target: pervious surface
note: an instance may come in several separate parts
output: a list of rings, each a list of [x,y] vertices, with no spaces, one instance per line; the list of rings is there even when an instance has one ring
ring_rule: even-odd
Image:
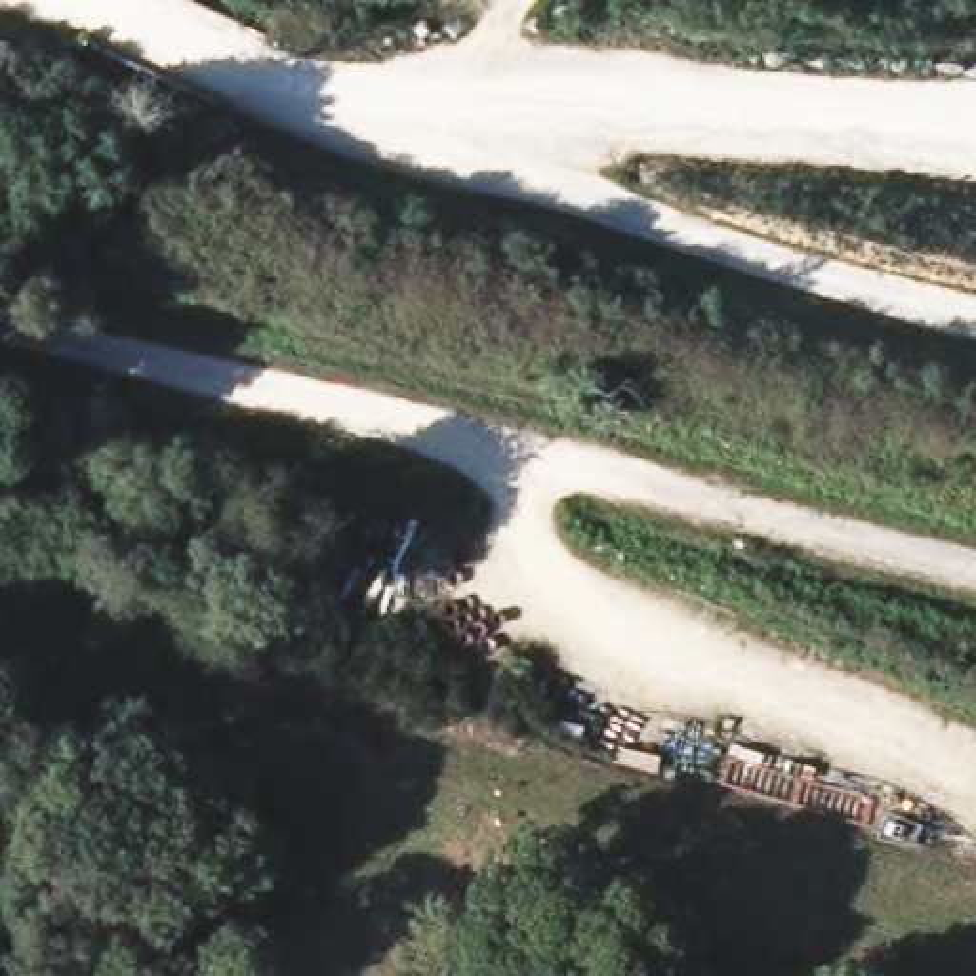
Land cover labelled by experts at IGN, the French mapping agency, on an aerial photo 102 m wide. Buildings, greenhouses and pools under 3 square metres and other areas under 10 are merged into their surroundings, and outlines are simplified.
[[[404,438],[416,454],[461,469],[492,496],[492,511],[503,522],[492,530],[488,553],[473,564],[469,580],[454,583],[438,572],[423,572],[408,580],[370,583],[370,599],[385,614],[397,614],[404,606],[431,606],[442,621],[450,621],[458,641],[488,652],[488,705],[477,717],[492,721],[496,728],[519,740],[545,743],[560,755],[591,755],[606,743],[606,751],[614,751],[621,766],[644,770],[652,778],[652,789],[667,789],[679,774],[694,774],[747,804],[785,812],[839,808],[850,816],[858,831],[881,835],[900,850],[911,850],[919,843],[926,846],[930,839],[946,835],[957,846],[957,854],[976,854],[976,728],[946,724],[930,709],[907,702],[904,694],[873,686],[846,671],[808,663],[793,652],[778,652],[751,633],[736,633],[732,606],[698,602],[686,591],[667,591],[660,599],[633,587],[629,580],[610,580],[591,564],[576,560],[553,526],[553,511],[564,496],[644,503],[656,511],[686,515],[694,522],[721,522],[755,534],[801,545],[824,560],[846,560],[862,568],[919,576],[938,587],[976,591],[976,549],[885,530],[858,519],[820,515],[793,503],[774,503],[763,496],[743,496],[721,484],[717,477],[698,480],[679,469],[663,469],[606,446],[549,438],[534,427],[511,427],[496,416],[412,404],[355,385],[332,385],[267,370],[259,351],[244,351],[240,362],[225,362],[95,328],[84,336],[92,347],[84,362],[92,366],[217,397],[240,408],[267,408],[316,423],[336,423],[362,438]]]
[[[0,385],[11,389],[19,400],[38,385],[38,374],[23,358],[23,347],[31,339],[15,328],[15,320],[0,320]]]
[[[694,206],[690,214],[679,214],[667,202],[641,198],[621,183],[602,179],[602,168],[625,164],[625,156],[633,153],[679,153],[705,160],[843,164],[865,172],[976,179],[976,34],[961,42],[915,42],[915,57],[907,65],[881,61],[873,76],[865,76],[862,61],[846,61],[839,76],[831,76],[827,61],[820,57],[804,61],[793,72],[782,53],[755,57],[747,69],[732,69],[644,50],[526,42],[522,19],[538,0],[438,0],[446,31],[427,31],[423,23],[385,27],[385,34],[374,38],[355,61],[332,61],[294,57],[278,46],[267,46],[255,31],[194,0],[0,0],[0,8],[27,8],[34,19],[107,31],[114,42],[133,42],[156,65],[187,65],[198,80],[286,130],[343,149],[351,137],[358,137],[374,145],[385,160],[465,175],[477,191],[515,194],[522,187],[564,206],[591,210],[602,225],[621,233],[652,236],[660,229],[675,244],[721,248],[747,263],[770,267],[785,282],[812,290],[820,297],[858,301],[915,324],[961,320],[976,332],[976,263],[942,252],[873,244],[831,229],[804,229],[785,217],[766,217],[736,206]]]

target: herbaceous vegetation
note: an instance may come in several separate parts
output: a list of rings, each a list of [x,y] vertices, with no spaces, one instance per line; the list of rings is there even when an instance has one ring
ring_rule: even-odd
[[[294,194],[294,217],[316,221],[324,214],[324,198],[339,194],[351,179],[328,172],[343,149],[286,130],[198,80],[183,92],[194,103],[187,114],[145,126],[145,133],[130,149],[122,149],[130,164],[126,194],[107,206],[69,198],[57,214],[46,210],[0,275],[0,286],[23,290],[27,278],[50,275],[57,282],[53,332],[76,332],[80,316],[92,316],[95,328],[225,362],[240,362],[244,351],[259,351],[267,370],[332,385],[355,385],[412,404],[496,416],[511,427],[534,427],[549,438],[606,446],[663,469],[679,469],[698,480],[717,477],[721,484],[743,496],[763,496],[774,503],[793,503],[820,515],[858,519],[885,530],[976,549],[976,438],[919,431],[907,419],[869,435],[865,427],[850,423],[846,408],[816,408],[801,397],[808,389],[808,374],[789,374],[770,358],[755,358],[751,366],[717,362],[709,358],[709,343],[682,343],[679,336],[660,332],[660,301],[644,301],[641,313],[633,313],[618,297],[583,286],[572,286],[564,294],[572,316],[560,316],[553,309],[534,336],[515,336],[499,316],[480,320],[477,309],[419,301],[408,290],[385,301],[366,301],[362,271],[347,255],[328,248],[328,255],[316,255],[316,248],[301,236],[294,252],[278,252],[267,244],[255,248],[259,263],[275,275],[275,286],[255,286],[252,278],[221,271],[217,290],[198,290],[194,271],[168,259],[149,233],[141,202],[149,187],[183,187],[191,168],[202,168],[221,153],[240,149],[244,156],[252,156],[259,179]],[[656,358],[656,381],[663,381],[667,389],[663,400],[648,412],[629,412],[618,404],[580,404],[576,419],[560,431],[545,400],[538,397],[538,381],[560,370],[595,374],[599,358],[621,355]]]
[[[690,214],[694,206],[736,206],[766,217],[785,217],[804,229],[831,229],[873,244],[942,252],[976,263],[976,179],[865,172],[843,164],[705,160],[679,153],[633,153],[625,156],[625,164],[602,168],[602,179],[621,183],[641,198],[667,202],[679,214]]]
[[[145,698],[145,713],[137,713],[141,728],[160,751],[160,774],[172,785],[187,789],[194,839],[202,846],[214,846],[214,839],[233,824],[236,812],[255,816],[252,839],[275,865],[275,885],[267,900],[282,904],[278,923],[290,942],[290,961],[282,976],[400,976],[385,953],[408,938],[416,907],[427,896],[461,896],[477,865],[503,865],[507,835],[522,820],[538,820],[541,827],[583,824],[595,831],[602,854],[610,854],[614,862],[641,865],[667,885],[698,892],[702,911],[690,934],[705,930],[721,946],[698,976],[816,976],[816,965],[824,961],[865,961],[869,953],[888,961],[885,976],[976,976],[976,854],[957,854],[957,846],[946,835],[930,839],[926,846],[919,843],[911,850],[900,850],[881,835],[858,831],[850,816],[839,808],[785,812],[747,804],[694,774],[679,774],[667,789],[652,789],[652,778],[644,770],[621,766],[614,751],[606,751],[606,743],[591,755],[560,755],[545,743],[519,740],[496,728],[492,721],[477,717],[458,724],[435,724],[408,709],[412,702],[404,694],[381,694],[370,705],[362,698],[347,698],[343,690],[328,690],[316,675],[282,671],[259,652],[255,667],[221,671],[179,648],[179,637],[164,621],[164,614],[114,618],[99,610],[95,599],[72,580],[0,583],[0,667],[8,667],[4,694],[11,698],[15,713],[31,728],[46,732],[53,743],[61,736],[95,736],[95,728],[111,713],[118,713],[126,698]]]
[[[804,61],[820,57],[827,61],[831,76],[839,76],[846,61],[862,61],[865,76],[873,76],[881,61],[907,65],[915,57],[915,42],[896,46],[877,34],[865,34],[843,15],[812,8],[812,0],[538,0],[522,19],[526,42],[644,50],[732,69],[747,69],[755,57],[782,53],[793,72]]]
[[[686,515],[656,511],[644,503],[564,496],[553,511],[553,526],[576,560],[591,564],[610,580],[629,580],[633,587],[660,599],[667,591],[686,591],[698,602],[732,606],[736,633],[751,633],[778,652],[793,652],[808,663],[846,671],[873,686],[904,694],[907,702],[930,709],[946,724],[976,728],[976,675],[965,671],[957,686],[942,690],[926,682],[923,656],[915,656],[904,641],[896,641],[885,629],[854,629],[843,618],[820,618],[808,606],[778,602],[770,583],[755,576],[694,576],[671,568],[671,541],[740,553],[755,534],[721,522],[694,522]]]

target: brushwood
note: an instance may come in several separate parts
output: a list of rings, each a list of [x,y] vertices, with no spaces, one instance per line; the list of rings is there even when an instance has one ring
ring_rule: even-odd
[[[915,656],[923,656],[926,682],[942,690],[957,686],[965,671],[976,675],[976,591],[938,587],[919,576],[862,568],[846,560],[824,560],[801,545],[755,534],[740,553],[671,541],[671,568],[694,576],[755,576],[770,583],[778,602],[808,606],[820,618],[843,618],[854,629],[885,629],[896,641],[904,641]]]
[[[560,370],[538,381],[538,397],[545,400],[560,431],[576,419],[580,404],[618,404],[629,412],[648,412],[663,400],[667,389],[663,381],[656,381],[656,358],[621,355],[599,358],[595,374]]]
[[[877,34],[896,46],[915,42],[961,42],[976,34],[976,0],[812,0],[812,8],[843,15],[865,34]]]
[[[328,248],[347,255],[362,271],[366,301],[385,301],[408,290],[419,301],[477,309],[480,320],[499,316],[515,336],[534,336],[553,309],[560,316],[572,316],[564,294],[572,286],[583,286],[618,297],[633,313],[641,313],[644,301],[660,301],[660,332],[679,336],[682,343],[709,343],[709,358],[717,362],[751,366],[755,358],[770,358],[789,374],[808,374],[808,389],[801,397],[816,408],[846,408],[850,423],[865,427],[869,435],[907,419],[919,431],[976,438],[976,332],[961,320],[915,324],[858,301],[820,297],[812,290],[785,282],[770,267],[747,263],[721,248],[675,244],[660,229],[652,236],[621,233],[602,225],[591,210],[564,206],[522,187],[515,194],[477,191],[465,175],[385,160],[374,145],[358,137],[351,137],[343,149],[328,172],[351,179],[339,194],[324,198],[324,214],[316,221],[294,217],[294,194],[259,179],[252,156],[244,156],[240,149],[221,153],[202,168],[191,168],[183,187],[149,187],[141,202],[149,233],[168,259],[194,271],[198,290],[217,290],[221,271],[252,278],[255,286],[275,286],[275,275],[259,263],[255,248],[267,244],[278,252],[294,252],[301,236],[316,248],[316,255],[328,255]]]
[[[473,564],[488,553],[492,530],[503,522],[492,511],[492,496],[461,469],[416,454],[404,438],[362,438],[336,423],[316,423],[267,408],[240,408],[217,397],[92,366],[84,362],[92,347],[84,336],[95,328],[92,316],[80,316],[76,332],[53,332],[31,339],[23,347],[23,358],[38,374],[38,385],[19,400],[19,480],[0,480],[0,499],[57,499],[61,477],[72,473],[88,454],[118,438],[130,438],[160,454],[168,446],[187,446],[191,454],[210,450],[214,458],[229,454],[233,465],[248,469],[252,484],[259,484],[271,469],[286,469],[290,484],[320,488],[320,507],[328,507],[336,522],[328,545],[320,549],[320,560],[328,564],[324,580],[313,587],[309,614],[294,625],[282,621],[282,637],[271,637],[259,652],[282,671],[316,675],[328,690],[343,690],[347,698],[362,698],[370,705],[381,694],[404,694],[412,702],[408,709],[435,724],[458,724],[477,717],[488,705],[488,652],[458,641],[450,621],[442,621],[431,606],[404,606],[397,614],[385,614],[370,599],[370,583],[408,580],[423,572],[438,572],[454,583],[469,580]]]
[[[114,133],[122,149],[130,149],[145,133],[145,126],[187,114],[194,103],[183,92],[198,80],[187,65],[156,65],[133,42],[114,42],[107,31],[34,19],[27,8],[0,8],[0,111],[27,114],[34,122],[46,114],[76,111],[84,126]]]

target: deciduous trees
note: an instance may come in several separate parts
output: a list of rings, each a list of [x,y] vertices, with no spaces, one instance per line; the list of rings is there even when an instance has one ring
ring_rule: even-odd
[[[19,400],[11,389],[0,385],[0,480],[19,480]]]
[[[160,774],[160,751],[141,728],[137,713],[145,713],[145,698],[126,698],[118,713],[111,713],[95,728],[95,736],[61,736],[53,743],[46,732],[31,728],[15,713],[11,698],[4,694],[8,667],[0,667],[0,976],[282,976],[290,961],[290,942],[278,923],[282,904],[267,900],[275,885],[275,865],[252,839],[255,816],[236,812],[233,824],[214,839],[214,846],[202,846],[194,839],[187,789],[172,785]]]
[[[423,23],[427,31],[446,31],[438,0],[194,0],[255,31],[267,46],[278,46],[294,57],[332,61],[355,61],[374,38],[385,34],[385,27]]]
[[[869,953],[865,961],[824,961],[816,965],[816,976],[885,976],[888,961]]]
[[[27,278],[23,290],[0,286],[0,320],[15,320],[15,328],[31,339],[53,332],[57,282],[50,275]]]
[[[114,133],[84,126],[76,111],[46,114],[34,122],[27,114],[0,111],[0,275],[46,210],[57,214],[69,198],[107,206],[126,194],[130,164],[122,149]]]
[[[385,953],[400,976],[698,976],[721,946],[705,930],[690,934],[702,911],[698,892],[667,885],[641,865],[614,862],[610,854],[602,854],[595,831],[583,824],[541,827],[538,820],[522,820],[507,835],[503,865],[477,865],[461,896],[427,896],[416,907],[408,938]]]
[[[114,618],[164,614],[164,621],[179,637],[179,648],[221,671],[255,667],[259,652],[271,637],[282,637],[282,621],[294,625],[309,614],[313,587],[324,580],[328,564],[320,560],[320,549],[328,545],[336,522],[328,507],[320,507],[320,488],[290,484],[286,469],[271,469],[259,484],[252,484],[248,469],[233,465],[229,454],[214,458],[210,450],[191,454],[187,446],[168,446],[160,454],[130,438],[118,438],[88,454],[72,473],[61,477],[57,499],[0,499],[0,583],[72,580],[95,599],[99,610]]]

